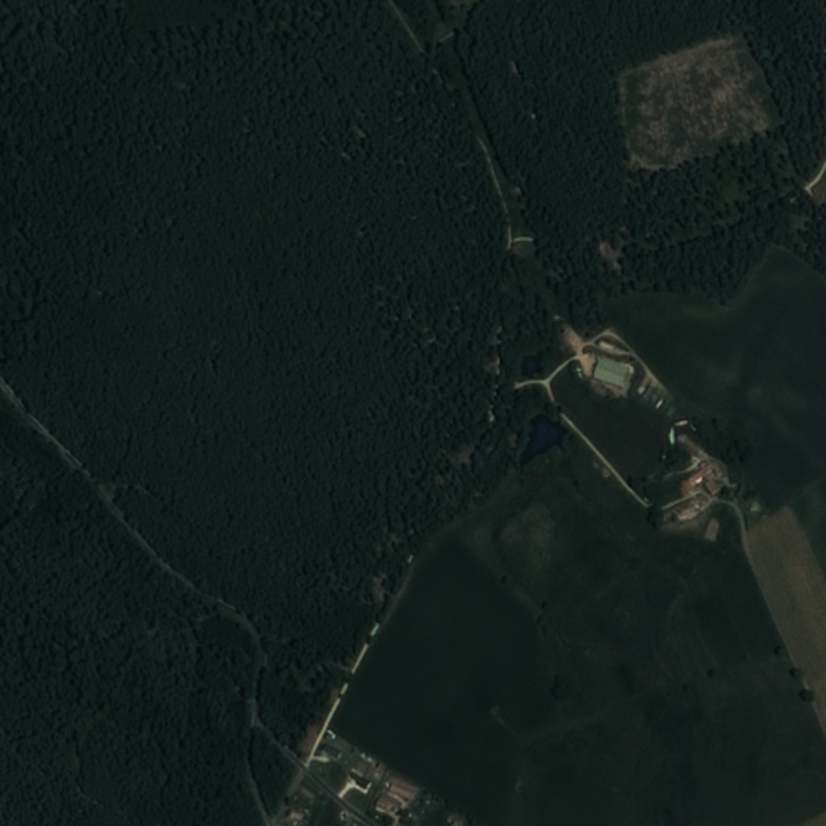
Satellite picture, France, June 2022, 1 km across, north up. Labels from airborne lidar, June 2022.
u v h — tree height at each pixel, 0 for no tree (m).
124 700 12
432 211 23
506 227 17
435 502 23
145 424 23
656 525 14
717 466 0
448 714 0
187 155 20
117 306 25
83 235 27
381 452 21
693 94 0
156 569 24
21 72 12
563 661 0
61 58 22
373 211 22
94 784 16
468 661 0
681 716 0
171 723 19
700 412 0
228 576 26
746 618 0
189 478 25
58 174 23
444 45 17
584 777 0
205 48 19
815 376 0
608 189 20
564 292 18
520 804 0
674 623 0
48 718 24
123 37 21
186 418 25
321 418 14
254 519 23
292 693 11
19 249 23
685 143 0
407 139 20
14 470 19
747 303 0
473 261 13
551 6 22
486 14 23
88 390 29
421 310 23
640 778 0
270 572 26
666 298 0
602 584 0
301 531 20
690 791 0
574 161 22
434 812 0
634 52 24
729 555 0
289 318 20
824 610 0
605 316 12
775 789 0
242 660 26
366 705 0
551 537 0
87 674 26
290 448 20
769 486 0
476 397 21
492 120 20
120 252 24
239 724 25
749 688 0
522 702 0
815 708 0
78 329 29
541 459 23
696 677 0
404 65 23
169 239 23
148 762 16
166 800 25
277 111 26
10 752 23
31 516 17
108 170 22
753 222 23
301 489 21
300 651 25
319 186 18
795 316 0
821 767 0
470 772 0
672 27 23
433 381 23
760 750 0
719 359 0
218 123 23
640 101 0
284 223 19
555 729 0
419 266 26
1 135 16
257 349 22
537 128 20
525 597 0
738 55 0
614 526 0
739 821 0
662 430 0
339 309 19
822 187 0
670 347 0
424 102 18
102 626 25
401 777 0
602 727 0
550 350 11
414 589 0
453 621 0
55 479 19
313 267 19
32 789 23
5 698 23
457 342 19
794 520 0
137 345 22
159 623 26
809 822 0
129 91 20
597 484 0
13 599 27
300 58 30
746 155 17
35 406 26
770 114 0
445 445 19
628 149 22
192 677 25
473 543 0
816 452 0
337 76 28
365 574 26
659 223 25
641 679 0
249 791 20
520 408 21
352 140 21
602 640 0
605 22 21
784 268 0
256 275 19
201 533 24
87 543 16
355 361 19
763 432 0
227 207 19
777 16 19
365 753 0
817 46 24
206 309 21
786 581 0
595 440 0
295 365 21
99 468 25
